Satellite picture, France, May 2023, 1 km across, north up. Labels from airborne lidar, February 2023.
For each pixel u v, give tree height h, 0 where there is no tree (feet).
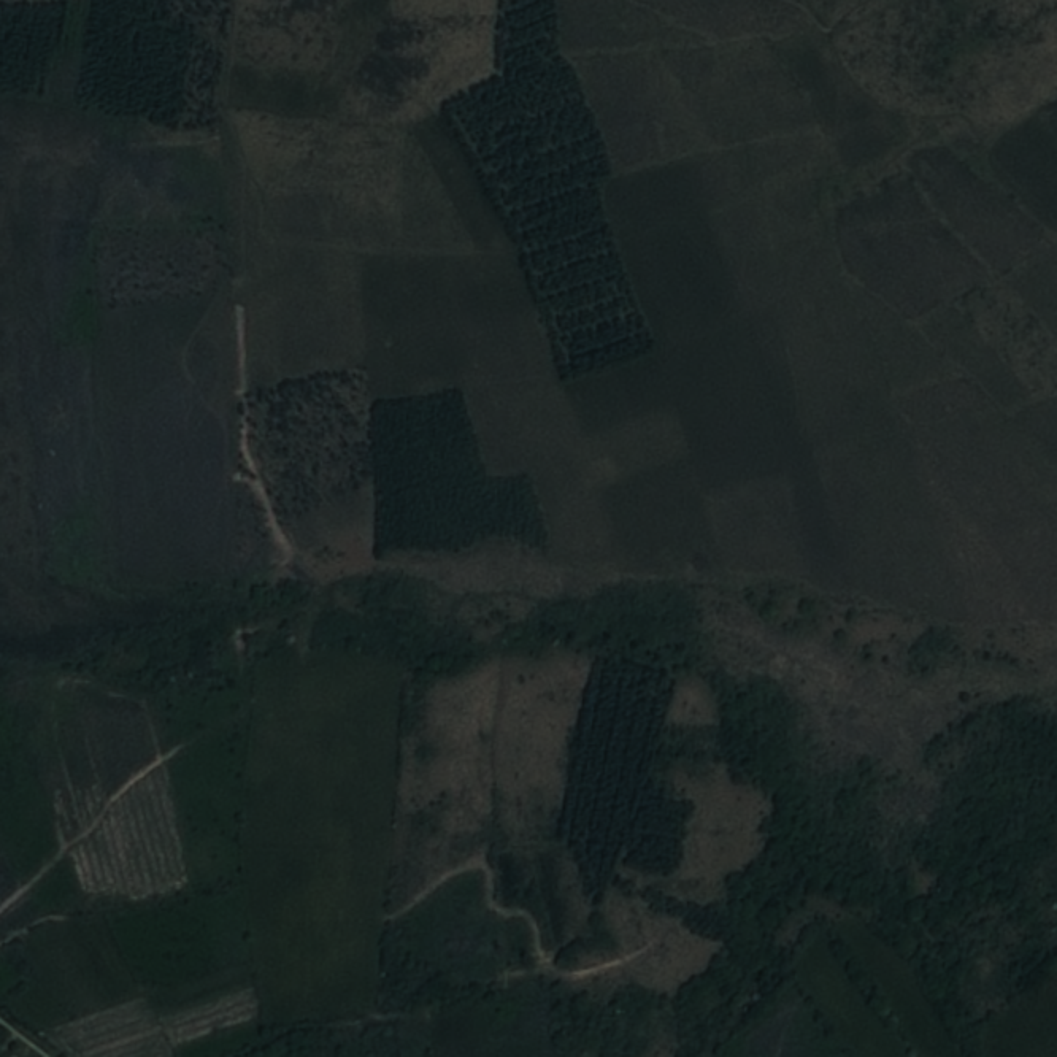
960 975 36
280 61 0
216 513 0
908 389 0
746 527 0
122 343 0
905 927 24
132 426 0
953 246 0
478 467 26
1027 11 0
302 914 0
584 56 0
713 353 0
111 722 0
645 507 0
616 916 0
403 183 0
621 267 34
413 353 0
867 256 0
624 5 0
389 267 0
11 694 0
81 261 0
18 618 0
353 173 0
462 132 30
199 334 0
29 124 0
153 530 0
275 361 0
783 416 0
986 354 0
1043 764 21
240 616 30
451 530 35
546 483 0
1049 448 0
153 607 0
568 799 31
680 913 24
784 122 0
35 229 0
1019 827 37
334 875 0
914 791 0
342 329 0
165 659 25
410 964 20
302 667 0
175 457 0
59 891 0
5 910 0
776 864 41
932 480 0
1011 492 0
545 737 0
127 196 0
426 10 0
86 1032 0
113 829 0
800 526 0
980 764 20
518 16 36
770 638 0
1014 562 0
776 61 0
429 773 0
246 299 0
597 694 40
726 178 0
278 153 0
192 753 0
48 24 45
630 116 0
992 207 0
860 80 0
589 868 41
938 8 0
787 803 48
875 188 0
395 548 34
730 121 0
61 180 0
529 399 0
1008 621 0
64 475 0
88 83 37
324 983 0
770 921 43
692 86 0
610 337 54
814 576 0
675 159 0
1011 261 0
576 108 41
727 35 0
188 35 40
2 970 0
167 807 0
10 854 0
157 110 49
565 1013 25
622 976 0
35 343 0
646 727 36
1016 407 0
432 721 0
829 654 0
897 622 0
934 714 0
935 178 0
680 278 0
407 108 0
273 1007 0
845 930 0
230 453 0
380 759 0
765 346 0
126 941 0
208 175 0
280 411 25
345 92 0
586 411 0
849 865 23
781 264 0
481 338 0
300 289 0
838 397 0
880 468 0
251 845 0
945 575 0
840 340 0
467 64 0
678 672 27
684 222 0
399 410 40
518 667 0
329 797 0
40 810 0
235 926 0
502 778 0
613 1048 20
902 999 0
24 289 0
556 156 54
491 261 0
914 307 0
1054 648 0
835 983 0
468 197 0
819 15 0
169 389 0
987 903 24
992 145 0
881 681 0
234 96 0
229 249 0
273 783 0
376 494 25
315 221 0
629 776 52
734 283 0
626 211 0
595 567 0
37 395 0
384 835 0
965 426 0
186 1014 0
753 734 21
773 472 0
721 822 0
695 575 0
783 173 0
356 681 0
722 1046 25
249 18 0
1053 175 0
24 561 0
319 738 0
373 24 0
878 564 0
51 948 0
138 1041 0
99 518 0
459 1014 0
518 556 0
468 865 0
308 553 0
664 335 0
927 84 0
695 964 0
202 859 0
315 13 0
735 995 34
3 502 0
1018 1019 0
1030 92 0
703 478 0
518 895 22
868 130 0
